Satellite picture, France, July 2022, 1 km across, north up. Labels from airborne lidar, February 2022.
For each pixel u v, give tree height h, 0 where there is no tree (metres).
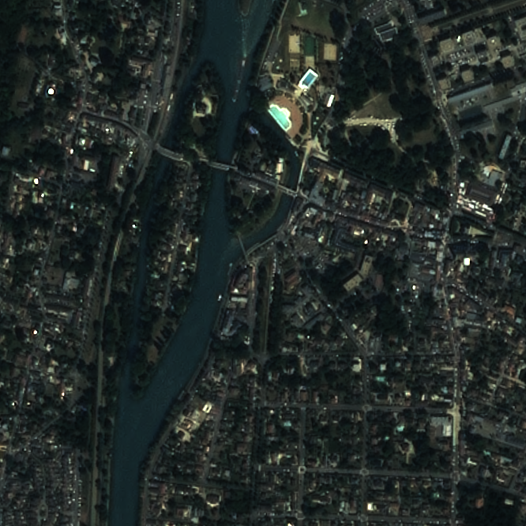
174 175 11
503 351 7
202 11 19
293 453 0
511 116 11
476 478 0
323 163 0
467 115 0
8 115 18
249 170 8
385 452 13
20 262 19
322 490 7
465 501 17
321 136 16
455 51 0
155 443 11
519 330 8
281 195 0
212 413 0
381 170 25
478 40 0
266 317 0
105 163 15
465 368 0
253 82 11
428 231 0
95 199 7
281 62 0
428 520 0
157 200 13
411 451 0
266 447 6
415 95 13
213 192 0
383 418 9
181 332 0
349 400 6
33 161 6
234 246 0
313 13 0
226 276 0
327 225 10
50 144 12
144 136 0
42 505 0
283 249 13
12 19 22
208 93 13
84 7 19
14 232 9
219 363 0
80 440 12
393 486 24
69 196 9
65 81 0
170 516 9
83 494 0
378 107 0
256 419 7
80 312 0
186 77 0
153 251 23
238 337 24
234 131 0
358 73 26
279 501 0
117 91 17
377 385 11
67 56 8
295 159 0
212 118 21
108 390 11
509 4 0
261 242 0
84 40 0
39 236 11
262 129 12
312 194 0
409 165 20
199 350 0
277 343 16
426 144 0
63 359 8
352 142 16
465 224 14
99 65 8
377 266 18
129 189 15
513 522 6
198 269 0
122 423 0
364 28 24
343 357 7
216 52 0
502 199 0
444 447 0
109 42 26
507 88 8
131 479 0
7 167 17
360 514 8
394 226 0
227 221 0
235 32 0
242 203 20
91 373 17
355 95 22
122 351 20
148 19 0
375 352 0
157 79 0
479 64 0
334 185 7
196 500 14
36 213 22
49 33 0
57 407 7
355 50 21
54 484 0
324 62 0
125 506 0
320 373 7
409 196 9
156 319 22
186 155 17
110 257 15
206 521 10
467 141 20
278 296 16
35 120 19
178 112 0
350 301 12
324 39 20
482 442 12
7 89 18
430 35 0
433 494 7
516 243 0
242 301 0
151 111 0
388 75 26
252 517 0
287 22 0
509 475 0
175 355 0
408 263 12
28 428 6
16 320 14
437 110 12
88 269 8
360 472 0
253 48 0
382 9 0
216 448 0
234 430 11
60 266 8
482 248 19
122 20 0
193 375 0
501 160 17
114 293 9
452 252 0
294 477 0
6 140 11
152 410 0
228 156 0
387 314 29
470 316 0
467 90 0
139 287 0
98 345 14
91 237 24
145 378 17
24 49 20
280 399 0
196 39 16
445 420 0
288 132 0
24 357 0
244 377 7
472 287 9
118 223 15
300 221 0
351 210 0
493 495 10
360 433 7
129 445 0
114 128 0
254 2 0
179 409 8
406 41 21
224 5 0
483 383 8
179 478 15
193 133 24
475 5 24
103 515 13
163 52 9
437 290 0
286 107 0
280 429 10
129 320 23
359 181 0
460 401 0
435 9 6
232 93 0
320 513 10
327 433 13
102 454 15
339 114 20
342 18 33
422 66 16
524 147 7
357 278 0
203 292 0
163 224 20
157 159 14
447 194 18
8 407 9
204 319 0
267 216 0
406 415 12
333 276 23
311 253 0
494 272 11
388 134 20
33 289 0
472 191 0
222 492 9
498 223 10
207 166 12
